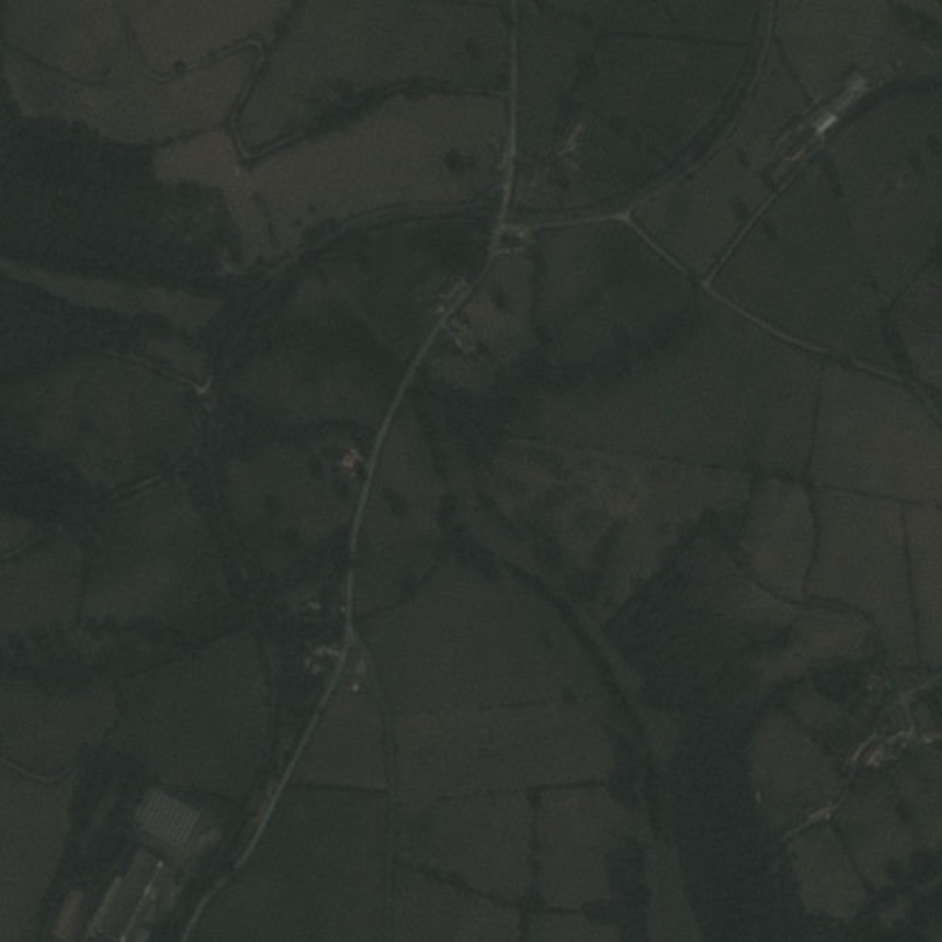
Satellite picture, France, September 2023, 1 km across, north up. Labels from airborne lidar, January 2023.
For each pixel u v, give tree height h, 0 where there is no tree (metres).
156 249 7
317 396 0
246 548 15
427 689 0
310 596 0
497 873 0
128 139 0
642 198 0
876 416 0
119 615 0
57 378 0
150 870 0
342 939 0
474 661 0
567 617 16
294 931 0
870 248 0
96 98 0
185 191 15
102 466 0
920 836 0
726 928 17
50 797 0
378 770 0
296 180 0
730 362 0
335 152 0
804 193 0
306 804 0
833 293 0
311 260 10
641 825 0
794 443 0
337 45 0
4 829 0
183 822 0
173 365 0
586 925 0
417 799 0
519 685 0
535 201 0
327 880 0
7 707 0
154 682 0
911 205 0
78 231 14
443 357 0
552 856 0
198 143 0
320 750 0
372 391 0
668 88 0
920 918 22
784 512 0
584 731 0
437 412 0
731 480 0
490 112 0
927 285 0
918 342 0
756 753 0
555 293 0
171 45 0
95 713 0
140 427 0
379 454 0
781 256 0
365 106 16
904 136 0
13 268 0
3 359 19
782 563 0
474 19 0
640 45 0
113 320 16
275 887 0
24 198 15
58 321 7
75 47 0
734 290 0
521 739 0
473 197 0
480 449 16
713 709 7
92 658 0
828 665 0
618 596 0
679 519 0
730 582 0
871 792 0
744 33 0
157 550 0
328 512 0
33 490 6
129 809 14
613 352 0
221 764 0
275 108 0
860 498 0
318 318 0
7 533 0
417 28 0
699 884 22
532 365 20
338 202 0
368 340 0
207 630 0
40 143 11
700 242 0
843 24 0
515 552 0
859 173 0
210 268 6
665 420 0
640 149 12
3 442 7
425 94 11
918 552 0
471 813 0
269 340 7
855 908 0
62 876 10
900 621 0
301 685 15
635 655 8
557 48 0
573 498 0
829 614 0
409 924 0
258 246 0
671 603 6
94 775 20
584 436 0
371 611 0
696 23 0
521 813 0
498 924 0
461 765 0
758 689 0
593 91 0
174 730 0
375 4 0
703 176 0
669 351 0
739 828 24
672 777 8
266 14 0
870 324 0
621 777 19
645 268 0
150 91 0
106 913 0
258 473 0
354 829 0
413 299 0
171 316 0
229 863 12
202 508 19
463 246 0
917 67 0
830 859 0
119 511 0
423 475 0
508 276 0
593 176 0
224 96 0
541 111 0
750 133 0
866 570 0
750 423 0
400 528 0
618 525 0
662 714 0
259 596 8
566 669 0
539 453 0
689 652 8
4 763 0
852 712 9
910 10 12
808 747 0
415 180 0
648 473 0
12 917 0
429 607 0
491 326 0
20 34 0
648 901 13
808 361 0
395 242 0
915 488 0
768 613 0
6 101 7
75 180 11
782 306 0
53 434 0
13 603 0
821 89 0
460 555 14
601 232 0
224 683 0
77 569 0
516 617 0
